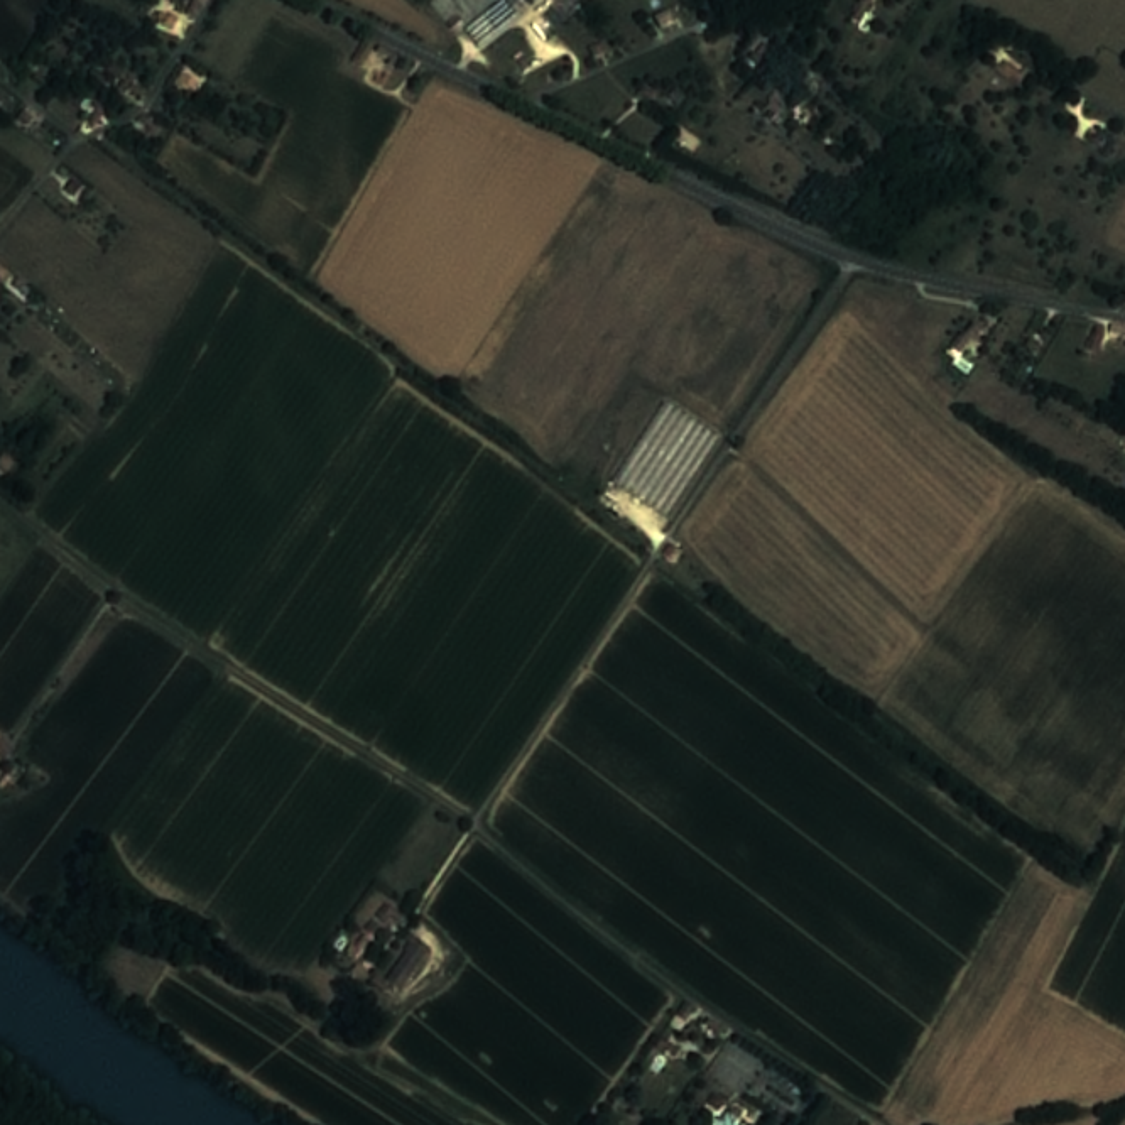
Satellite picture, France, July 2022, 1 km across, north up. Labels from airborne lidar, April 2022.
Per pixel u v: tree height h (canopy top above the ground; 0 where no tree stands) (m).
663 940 0
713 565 0
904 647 0
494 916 0
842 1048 0
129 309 0
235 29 0
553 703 0
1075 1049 0
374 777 0
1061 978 0
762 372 0
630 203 0
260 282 0
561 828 0
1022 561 0
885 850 0
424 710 0
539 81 0
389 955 10
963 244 0
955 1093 0
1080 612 0
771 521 0
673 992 0
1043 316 0
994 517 0
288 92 0
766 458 0
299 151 0
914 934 0
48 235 0
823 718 0
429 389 5
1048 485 0
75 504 0
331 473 0
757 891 0
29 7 0
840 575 0
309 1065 0
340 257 0
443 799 0
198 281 0
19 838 0
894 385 0
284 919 0
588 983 0
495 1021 0
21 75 7
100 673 0
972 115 10
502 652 0
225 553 0
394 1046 0
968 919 0
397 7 0
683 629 0
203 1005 0
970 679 0
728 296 0
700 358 0
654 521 0
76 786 0
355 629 0
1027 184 0
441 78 0
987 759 0
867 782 0
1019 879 0
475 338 0
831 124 8
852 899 0
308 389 0
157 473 0
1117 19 0
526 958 0
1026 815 0
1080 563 0
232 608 0
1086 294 0
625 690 0
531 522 0
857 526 0
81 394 0
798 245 0
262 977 15
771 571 0
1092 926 0
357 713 0
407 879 0
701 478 0
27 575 0
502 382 0
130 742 0
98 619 0
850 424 0
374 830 0
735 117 0
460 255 0
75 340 0
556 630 0
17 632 0
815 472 0
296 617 0
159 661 0
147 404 0
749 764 0
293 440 0
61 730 0
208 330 0
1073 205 0
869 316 0
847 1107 0
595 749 0
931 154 19
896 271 0
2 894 0
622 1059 0
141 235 0
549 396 0
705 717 0
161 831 0
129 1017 22
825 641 0
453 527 0
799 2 15
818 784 0
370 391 0
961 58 8
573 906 0
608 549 0
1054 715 0
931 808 0
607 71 0
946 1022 0
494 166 0
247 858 0
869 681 0
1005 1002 0
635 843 0
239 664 0
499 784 0
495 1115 0
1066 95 13
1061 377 0
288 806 0
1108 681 0
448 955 0
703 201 0
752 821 0
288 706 0
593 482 0
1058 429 0
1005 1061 0
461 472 0
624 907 0
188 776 0
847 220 12
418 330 0
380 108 0
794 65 22
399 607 0
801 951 0
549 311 0
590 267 0
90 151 0
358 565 0
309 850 0
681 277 0
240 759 0
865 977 0
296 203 0
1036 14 0
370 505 0
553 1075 0
